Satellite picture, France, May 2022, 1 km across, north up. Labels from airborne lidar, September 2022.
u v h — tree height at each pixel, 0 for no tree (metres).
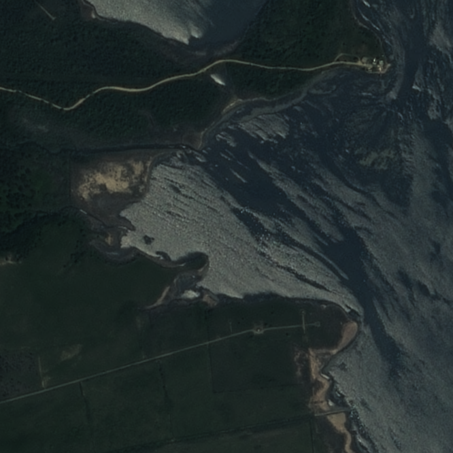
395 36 0
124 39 6
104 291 0
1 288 0
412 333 0
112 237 0
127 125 9
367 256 0
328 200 0
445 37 0
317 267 0
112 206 0
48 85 11
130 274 0
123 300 0
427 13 0
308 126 0
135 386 0
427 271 0
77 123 9
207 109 6
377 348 0
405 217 0
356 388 0
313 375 0
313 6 8
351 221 0
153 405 0
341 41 0
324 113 0
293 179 0
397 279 0
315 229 0
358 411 0
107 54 11
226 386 0
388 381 0
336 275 0
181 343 0
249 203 0
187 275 0
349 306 0
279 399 0
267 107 0
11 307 0
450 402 0
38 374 7
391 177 0
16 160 6
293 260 0
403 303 0
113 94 9
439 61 0
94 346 0
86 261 0
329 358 0
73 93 10
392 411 0
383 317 0
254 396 0
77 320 0
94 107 9
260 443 0
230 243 0
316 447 0
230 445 0
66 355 0
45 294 0
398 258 0
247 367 0
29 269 0
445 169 0
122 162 0
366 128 0
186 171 0
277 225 0
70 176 0
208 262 0
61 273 0
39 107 6
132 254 0
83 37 6
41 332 0
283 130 0
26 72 10
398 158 0
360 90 0
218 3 0
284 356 0
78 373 0
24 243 17
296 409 0
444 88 0
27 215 10
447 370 0
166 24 0
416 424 0
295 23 16
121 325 0
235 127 0
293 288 0
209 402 0
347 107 0
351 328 0
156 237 0
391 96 0
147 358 0
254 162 0
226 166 0
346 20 0
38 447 0
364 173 0
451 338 0
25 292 0
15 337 0
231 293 0
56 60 7
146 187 0
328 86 0
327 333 0
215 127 0
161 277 0
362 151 0
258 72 7
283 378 0
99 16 0
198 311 0
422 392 0
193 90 10
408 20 0
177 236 0
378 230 0
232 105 0
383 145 0
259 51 11
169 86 10
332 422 0
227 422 0
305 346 0
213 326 0
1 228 9
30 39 8
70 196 0
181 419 0
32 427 0
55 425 0
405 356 0
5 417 0
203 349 0
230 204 0
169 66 6
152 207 0
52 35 7
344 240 0
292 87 11
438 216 0
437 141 0
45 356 0
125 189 0
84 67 11
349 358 0
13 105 16
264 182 0
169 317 0
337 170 0
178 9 0
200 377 0
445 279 0
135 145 0
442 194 0
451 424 0
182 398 0
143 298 0
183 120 6
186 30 0
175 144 0
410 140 0
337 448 0
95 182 0
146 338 0
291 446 0
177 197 0
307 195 0
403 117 0
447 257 0
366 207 0
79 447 0
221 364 0
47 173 0
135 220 0
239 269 0
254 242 0
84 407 0
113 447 0
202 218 0
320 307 0
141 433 0
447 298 0
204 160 0
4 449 0
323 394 0
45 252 0
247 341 0
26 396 0
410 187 0
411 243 0
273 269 0
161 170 0
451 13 0
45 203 5
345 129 0
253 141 0
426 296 0
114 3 0
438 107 0
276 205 0
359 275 0
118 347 0
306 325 0
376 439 0
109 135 6
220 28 0
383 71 0
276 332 0
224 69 0
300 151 0
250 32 6
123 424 0
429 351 0
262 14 9
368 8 0
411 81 0
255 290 0
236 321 0
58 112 7
